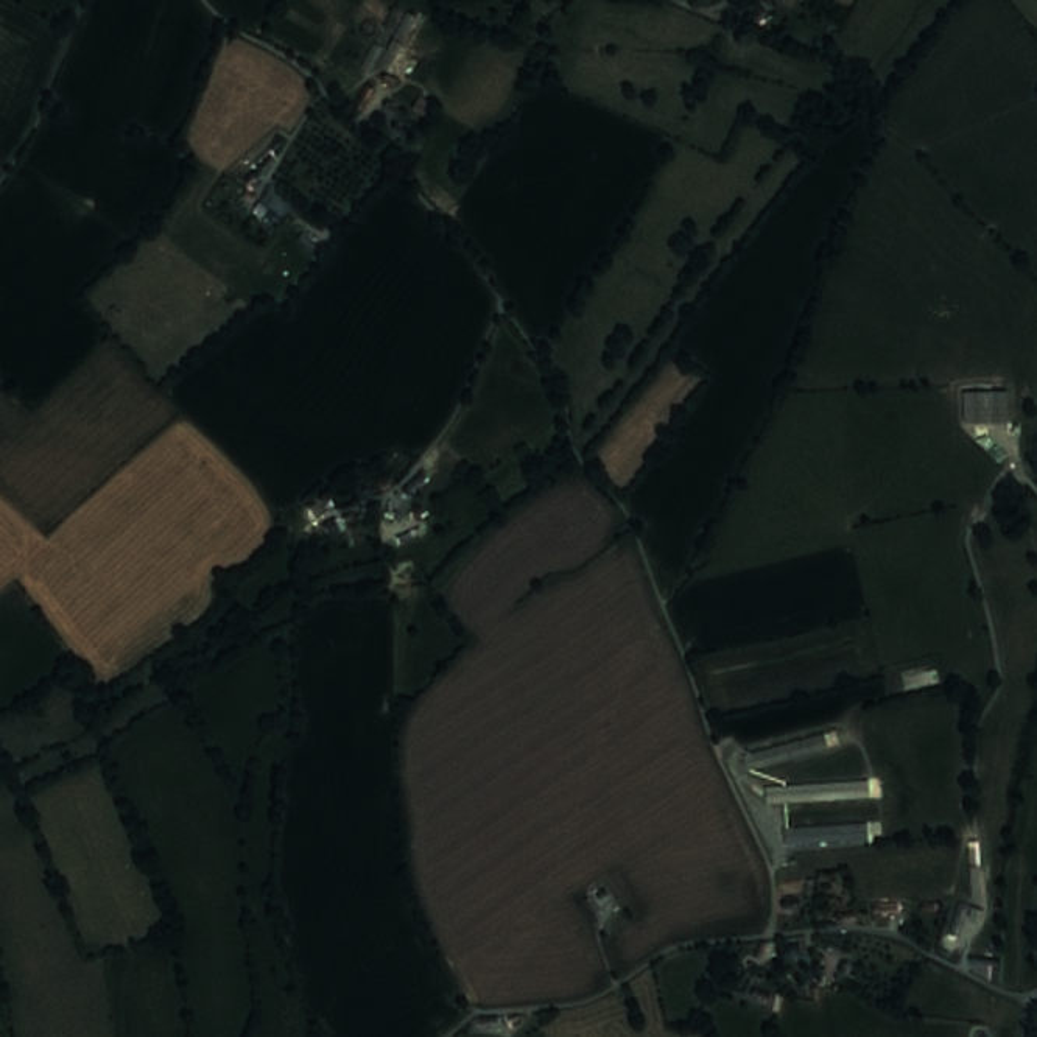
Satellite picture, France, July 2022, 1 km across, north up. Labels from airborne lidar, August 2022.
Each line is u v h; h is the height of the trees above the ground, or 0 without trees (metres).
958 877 0
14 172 13
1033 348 0
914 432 0
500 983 0
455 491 6
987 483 0
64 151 0
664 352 8
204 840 0
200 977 0
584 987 0
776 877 0
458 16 14
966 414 0
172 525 0
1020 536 17
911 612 0
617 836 0
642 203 7
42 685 10
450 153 0
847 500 0
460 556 7
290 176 8
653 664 0
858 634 0
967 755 9
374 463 10
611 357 14
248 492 0
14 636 0
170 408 0
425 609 0
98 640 0
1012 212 0
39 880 0
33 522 0
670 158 15
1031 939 20
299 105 0
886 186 0
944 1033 0
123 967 0
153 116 0
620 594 0
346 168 6
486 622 0
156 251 0
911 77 8
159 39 0
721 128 0
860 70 24
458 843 0
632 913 8
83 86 0
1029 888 0
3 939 0
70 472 0
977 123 0
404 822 8
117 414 0
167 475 0
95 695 14
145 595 0
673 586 0
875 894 0
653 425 0
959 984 0
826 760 0
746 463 10
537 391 0
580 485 0
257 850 0
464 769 0
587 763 0
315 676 0
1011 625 0
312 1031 6
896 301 0
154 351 0
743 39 21
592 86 0
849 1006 0
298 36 0
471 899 0
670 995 0
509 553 0
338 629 0
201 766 0
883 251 0
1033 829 0
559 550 0
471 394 10
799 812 0
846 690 19
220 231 0
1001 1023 0
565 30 0
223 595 11
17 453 0
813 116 16
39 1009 0
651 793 0
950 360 0
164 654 9
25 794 8
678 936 0
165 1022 0
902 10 0
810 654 0
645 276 0
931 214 0
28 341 0
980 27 0
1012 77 0
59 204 0
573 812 0
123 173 0
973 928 0
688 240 17
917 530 0
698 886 0
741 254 14
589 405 0
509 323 7
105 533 0
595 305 0
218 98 0
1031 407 13
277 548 18
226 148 0
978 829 0
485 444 0
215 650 13
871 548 0
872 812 0
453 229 15
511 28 11
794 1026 0
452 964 0
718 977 16
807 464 0
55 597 0
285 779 11
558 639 0
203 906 0
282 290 0
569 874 0
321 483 7
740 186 0
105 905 0
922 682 0
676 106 0
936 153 0
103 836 0
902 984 11
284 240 0
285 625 7
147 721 7
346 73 0
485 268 16
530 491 7
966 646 0
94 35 0
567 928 0
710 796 0
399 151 17
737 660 0
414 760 0
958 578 0
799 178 6
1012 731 0
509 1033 0
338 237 16
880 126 13
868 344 0
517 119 6
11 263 0
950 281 0
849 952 7
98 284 7
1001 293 0
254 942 7
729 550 0
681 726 0
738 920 0
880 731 0
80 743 0
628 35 0
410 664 0
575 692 0
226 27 15
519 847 0
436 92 0
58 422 0
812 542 0
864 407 0
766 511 0
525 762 0
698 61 10
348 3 0
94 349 0
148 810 0
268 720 12
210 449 0
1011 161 0
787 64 0
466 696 0
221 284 0
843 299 0
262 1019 8
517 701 0
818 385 0
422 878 0
